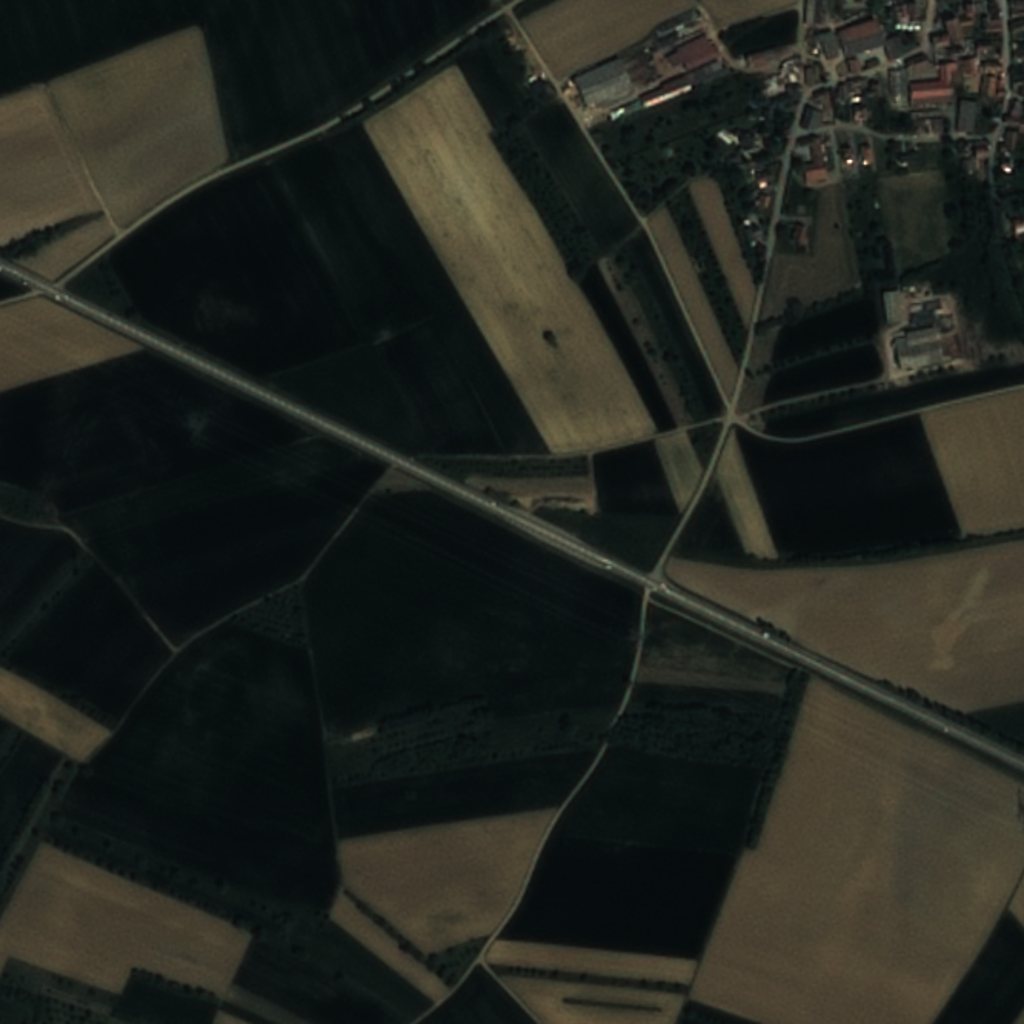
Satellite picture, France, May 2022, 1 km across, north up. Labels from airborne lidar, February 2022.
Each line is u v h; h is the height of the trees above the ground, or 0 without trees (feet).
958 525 0
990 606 0
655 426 0
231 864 0
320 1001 0
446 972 27
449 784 0
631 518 0
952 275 0
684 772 0
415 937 0
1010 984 0
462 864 0
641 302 0
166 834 0
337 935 0
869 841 0
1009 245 31
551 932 0
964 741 0
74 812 0
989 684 0
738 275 0
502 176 0
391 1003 0
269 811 0
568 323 0
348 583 0
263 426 0
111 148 0
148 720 0
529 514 0
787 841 0
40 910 0
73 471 0
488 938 0
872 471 0
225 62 0
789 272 0
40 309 0
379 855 0
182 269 0
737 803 0
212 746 0
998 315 0
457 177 0
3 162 0
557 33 0
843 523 0
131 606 0
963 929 0
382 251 0
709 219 0
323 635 0
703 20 0
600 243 0
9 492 0
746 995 0
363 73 0
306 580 0
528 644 0
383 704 0
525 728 0
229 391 0
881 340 0
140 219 0
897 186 0
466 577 0
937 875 0
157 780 0
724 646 0
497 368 0
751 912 0
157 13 0
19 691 0
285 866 0
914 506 0
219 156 0
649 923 0
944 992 0
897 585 0
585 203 0
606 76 0
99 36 0
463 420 0
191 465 0
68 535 0
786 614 0
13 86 0
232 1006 0
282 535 0
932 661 0
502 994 0
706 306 0
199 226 0
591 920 0
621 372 0
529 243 0
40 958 0
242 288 0
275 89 0
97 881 0
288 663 0
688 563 0
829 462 0
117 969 0
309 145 0
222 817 0
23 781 0
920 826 0
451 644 0
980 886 0
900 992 0
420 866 0
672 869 0
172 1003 0
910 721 0
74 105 0
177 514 0
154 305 0
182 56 0
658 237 0
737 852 0
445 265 0
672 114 0
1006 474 0
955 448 0
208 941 0
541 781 0
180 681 0
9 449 0
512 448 0
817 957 0
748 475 0
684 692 0
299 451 0
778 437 0
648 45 0
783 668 0
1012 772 0
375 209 0
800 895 0
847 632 0
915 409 0
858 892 0
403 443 0
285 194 0
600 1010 0
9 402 0
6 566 0
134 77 0
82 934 0
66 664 0
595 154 0
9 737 0
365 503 0
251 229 0
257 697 0
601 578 0
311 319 0
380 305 0
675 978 0
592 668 0
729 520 0
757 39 0
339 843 0
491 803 0
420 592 0
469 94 0
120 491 0
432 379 0
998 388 0
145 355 0
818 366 0
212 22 0
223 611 0
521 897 0
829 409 0
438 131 0
